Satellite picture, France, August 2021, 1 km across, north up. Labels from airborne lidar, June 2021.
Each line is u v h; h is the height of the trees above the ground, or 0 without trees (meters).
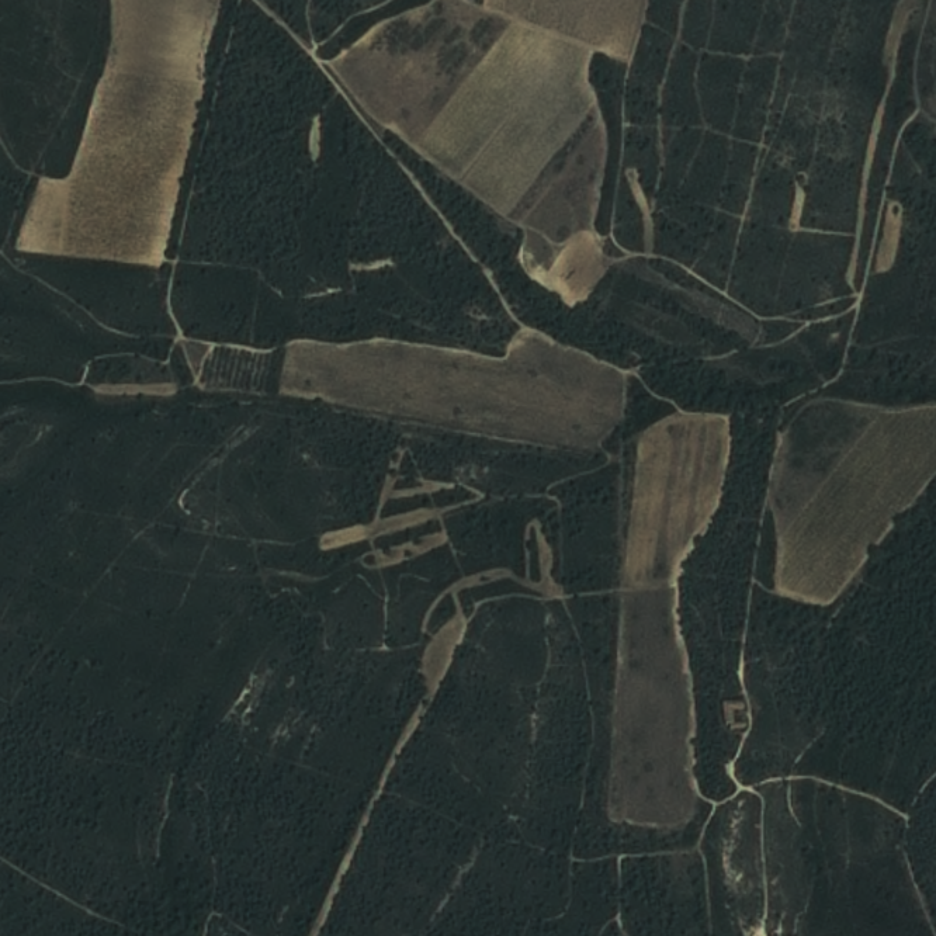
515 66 0
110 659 0
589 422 0
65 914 0
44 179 0
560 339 9
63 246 0
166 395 0
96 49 0
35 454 0
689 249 8
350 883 6
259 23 10
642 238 0
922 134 12
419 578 0
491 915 7
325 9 10
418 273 0
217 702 0
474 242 9
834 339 0
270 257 8
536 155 0
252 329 7
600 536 0
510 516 5
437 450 9
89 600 0
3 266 0
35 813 9
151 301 0
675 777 0
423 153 0
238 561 0
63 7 0
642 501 0
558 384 0
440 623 0
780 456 0
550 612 0
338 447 6
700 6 0
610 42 0
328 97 9
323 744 0
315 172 6
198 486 0
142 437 0
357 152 13
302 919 8
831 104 0
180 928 15
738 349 10
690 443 0
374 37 0
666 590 0
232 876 10
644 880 9
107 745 10
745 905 0
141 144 0
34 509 0
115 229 0
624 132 0
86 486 0
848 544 0
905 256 0
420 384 0
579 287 0
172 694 0
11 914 7
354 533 0
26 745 9
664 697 0
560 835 8
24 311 0
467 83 0
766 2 0
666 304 9
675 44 0
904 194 7
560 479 0
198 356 0
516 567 0
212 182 12
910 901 0
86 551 0
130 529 0
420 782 5
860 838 0
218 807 7
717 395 13
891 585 8
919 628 10
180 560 0
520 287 7
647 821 0
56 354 0
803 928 0
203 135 9
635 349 10
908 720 10
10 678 7
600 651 9
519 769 0
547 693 6
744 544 6
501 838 7
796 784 0
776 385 8
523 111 0
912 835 7
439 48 0
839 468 0
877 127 0
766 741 0
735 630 9
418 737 9
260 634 0
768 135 8
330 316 9
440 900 0
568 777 7
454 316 8
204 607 0
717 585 8
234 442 0
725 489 8
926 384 9
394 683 0
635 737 0
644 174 8
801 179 9
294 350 0
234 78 12
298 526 0
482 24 0
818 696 8
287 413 0
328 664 0
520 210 0
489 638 0
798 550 0
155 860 8
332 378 0
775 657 0
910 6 0
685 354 9
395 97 0
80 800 8
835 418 0
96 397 0
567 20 0
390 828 7
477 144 0
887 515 0
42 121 0
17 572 0
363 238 6
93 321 0
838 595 0
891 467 0
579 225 0
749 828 0
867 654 7
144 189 0
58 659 8
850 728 9
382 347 0
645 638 0
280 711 0
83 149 0
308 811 8
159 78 0
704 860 0
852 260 0
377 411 0
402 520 0
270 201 8
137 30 0
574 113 0
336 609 0
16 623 0
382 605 0
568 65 0
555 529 10
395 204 8
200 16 0
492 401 0
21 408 0
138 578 0
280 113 13
